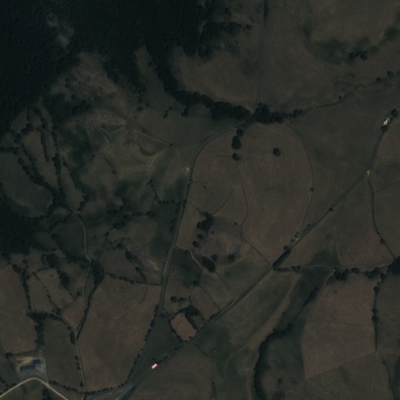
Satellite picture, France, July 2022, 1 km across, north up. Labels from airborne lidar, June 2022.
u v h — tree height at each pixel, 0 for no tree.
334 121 0
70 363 0
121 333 0
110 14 16
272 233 0
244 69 0
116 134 0
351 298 0
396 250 0
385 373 0
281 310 0
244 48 0
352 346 0
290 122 0
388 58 0
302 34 0
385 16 0
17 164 0
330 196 0
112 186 0
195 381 0
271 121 12
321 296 0
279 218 0
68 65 9
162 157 0
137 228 0
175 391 0
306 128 0
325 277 0
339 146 0
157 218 0
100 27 14
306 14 0
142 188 0
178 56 0
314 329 0
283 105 0
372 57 0
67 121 0
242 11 0
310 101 0
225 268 0
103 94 0
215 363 0
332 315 0
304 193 0
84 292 0
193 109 0
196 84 0
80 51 7
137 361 6
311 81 0
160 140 0
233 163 0
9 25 18
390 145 0
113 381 0
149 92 0
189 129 0
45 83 15
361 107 0
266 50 0
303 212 0
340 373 0
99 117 0
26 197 0
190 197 0
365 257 0
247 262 0
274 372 0
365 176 0
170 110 9
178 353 0
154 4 11
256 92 0
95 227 0
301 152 0
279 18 0
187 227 0
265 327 0
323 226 0
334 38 0
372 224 0
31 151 0
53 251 8
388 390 0
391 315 0
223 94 0
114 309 0
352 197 0
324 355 0
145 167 0
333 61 0
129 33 13
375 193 0
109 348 0
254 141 0
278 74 0
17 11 12
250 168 0
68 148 0
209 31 14
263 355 9
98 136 0
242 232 0
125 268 0
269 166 0
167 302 0
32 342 0
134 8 9
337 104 0
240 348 0
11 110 14
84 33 11
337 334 0
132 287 0
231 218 0
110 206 0
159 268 0
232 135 0
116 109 0
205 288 0
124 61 13
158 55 16
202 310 0
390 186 0
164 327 0
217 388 0
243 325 0
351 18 0
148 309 0
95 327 0
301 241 0
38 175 9
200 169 0
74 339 13
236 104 0
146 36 21
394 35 0
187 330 0
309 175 0
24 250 12
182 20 9
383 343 0
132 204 0
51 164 0
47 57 16
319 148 0
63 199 7
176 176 0
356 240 0
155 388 0
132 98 0
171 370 0
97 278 7
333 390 0
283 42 0
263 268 0
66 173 0
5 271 0
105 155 0
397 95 0
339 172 0
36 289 0
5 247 12
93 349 0
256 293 0
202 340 0
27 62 19
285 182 0
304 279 0
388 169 0
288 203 0
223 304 0
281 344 0
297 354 0
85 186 0
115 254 0
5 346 0
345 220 0
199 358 0
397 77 0
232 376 0
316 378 0
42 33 17
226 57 0
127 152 0
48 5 11
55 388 0
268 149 0
